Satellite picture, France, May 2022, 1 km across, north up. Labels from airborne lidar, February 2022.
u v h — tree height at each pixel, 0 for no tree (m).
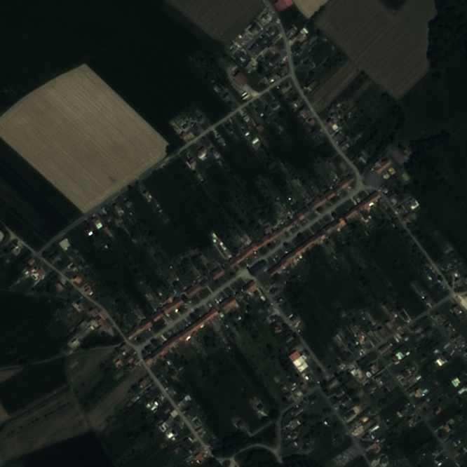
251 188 0
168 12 0
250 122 0
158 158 0
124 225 0
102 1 0
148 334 0
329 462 0
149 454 0
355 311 0
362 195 0
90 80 0
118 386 0
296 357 0
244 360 0
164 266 0
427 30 0
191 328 0
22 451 0
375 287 0
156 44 0
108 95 0
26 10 0
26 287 0
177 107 0
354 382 0
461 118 0
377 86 0
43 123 0
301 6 0
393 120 0
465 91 0
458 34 17
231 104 10
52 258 0
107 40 0
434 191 0
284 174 0
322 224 0
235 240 0
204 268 7
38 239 0
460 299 0
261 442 8
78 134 0
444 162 6
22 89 0
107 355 0
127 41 0
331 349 0
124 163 0
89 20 0
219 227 0
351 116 0
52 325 0
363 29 0
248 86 0
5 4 0
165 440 0
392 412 0
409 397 0
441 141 19
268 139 0
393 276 0
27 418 0
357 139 0
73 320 0
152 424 5
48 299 0
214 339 10
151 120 0
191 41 0
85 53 0
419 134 0
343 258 0
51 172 0
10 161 0
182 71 0
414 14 0
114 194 0
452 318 0
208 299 0
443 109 0
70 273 0
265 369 0
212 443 0
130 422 0
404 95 0
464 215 0
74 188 0
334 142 0
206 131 0
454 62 0
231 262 0
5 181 0
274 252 0
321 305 0
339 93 0
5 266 0
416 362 0
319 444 0
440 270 0
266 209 10
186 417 0
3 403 0
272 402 0
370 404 0
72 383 0
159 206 0
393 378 0
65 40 0
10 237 0
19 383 0
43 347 0
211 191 0
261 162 0
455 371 0
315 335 0
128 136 0
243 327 7
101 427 0
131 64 0
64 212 0
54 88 0
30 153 0
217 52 0
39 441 0
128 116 0
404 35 0
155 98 0
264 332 0
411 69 0
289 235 0
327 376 0
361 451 0
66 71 0
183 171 0
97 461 0
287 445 0
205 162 0
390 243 0
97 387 0
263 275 0
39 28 0
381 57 0
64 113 0
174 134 0
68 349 8
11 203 0
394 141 21
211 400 0
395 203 0
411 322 0
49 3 0
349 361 0
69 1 0
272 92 0
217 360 0
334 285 0
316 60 0
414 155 11
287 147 0
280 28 0
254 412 0
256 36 0
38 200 0
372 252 0
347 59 0
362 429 0
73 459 0
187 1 0
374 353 0
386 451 0
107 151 0
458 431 0
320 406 0
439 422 0
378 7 0
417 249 7
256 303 0
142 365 0
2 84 0
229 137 0
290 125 0
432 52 18
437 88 0
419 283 0
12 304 0
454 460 0
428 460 0
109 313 0
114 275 0
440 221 0
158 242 8
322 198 0
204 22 0
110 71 0
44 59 0
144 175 0
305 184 7
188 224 0
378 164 0
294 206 6
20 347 0
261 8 0
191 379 0
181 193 0
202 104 0
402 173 0
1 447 0
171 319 0
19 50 0
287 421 0
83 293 0
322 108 0
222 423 0
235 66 0
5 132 0
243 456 0
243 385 0
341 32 0
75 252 0
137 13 0
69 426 0
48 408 0
